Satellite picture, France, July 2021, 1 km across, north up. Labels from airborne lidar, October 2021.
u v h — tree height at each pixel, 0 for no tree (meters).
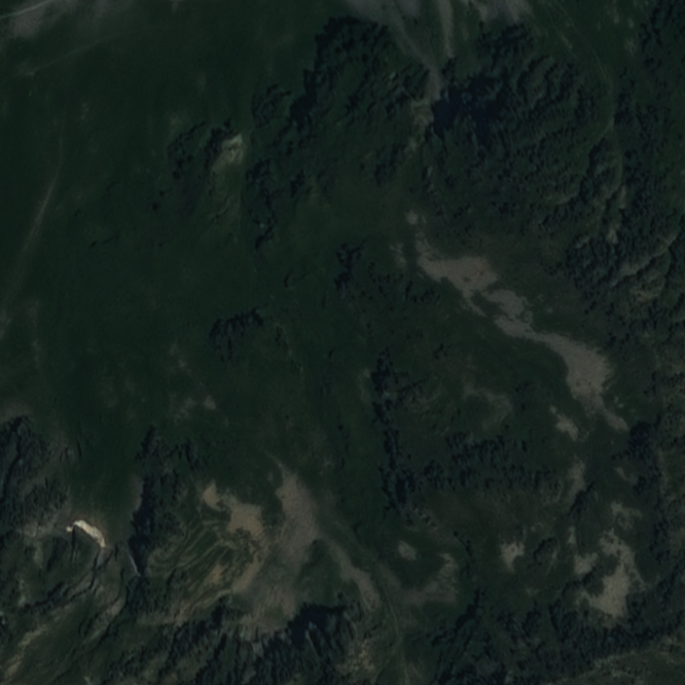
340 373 0
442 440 0
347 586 0
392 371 6
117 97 0
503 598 0
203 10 0
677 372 0
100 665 0
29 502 10
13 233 0
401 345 0
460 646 0
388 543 0
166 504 12
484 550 0
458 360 0
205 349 0
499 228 0
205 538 0
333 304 0
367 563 0
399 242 0
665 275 0
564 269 9
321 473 0
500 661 8
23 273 0
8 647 0
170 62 0
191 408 0
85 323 0
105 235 0
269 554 0
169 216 0
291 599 0
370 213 0
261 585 0
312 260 0
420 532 0
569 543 0
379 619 0
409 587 0
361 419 0
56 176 0
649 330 7
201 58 0
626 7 0
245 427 0
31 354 0
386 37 17
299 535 0
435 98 0
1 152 0
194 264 0
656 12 9
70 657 0
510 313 0
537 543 0
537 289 0
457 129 7
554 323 0
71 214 0
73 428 0
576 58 0
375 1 0
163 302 0
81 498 0
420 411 0
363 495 0
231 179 0
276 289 0
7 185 0
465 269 0
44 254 0
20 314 0
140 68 0
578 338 0
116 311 0
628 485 0
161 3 0
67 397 0
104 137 0
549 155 10
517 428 0
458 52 0
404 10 0
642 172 9
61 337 0
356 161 0
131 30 0
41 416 0
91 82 0
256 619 0
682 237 9
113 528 0
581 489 0
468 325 0
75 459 0
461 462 11
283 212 0
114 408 0
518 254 0
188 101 0
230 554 0
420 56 0
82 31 0
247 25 0
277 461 0
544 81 0
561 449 0
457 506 0
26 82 0
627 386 0
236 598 0
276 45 0
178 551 0
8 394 0
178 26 0
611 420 0
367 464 0
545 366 0
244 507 0
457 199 0
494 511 0
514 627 6
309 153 0
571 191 10
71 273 0
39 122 0
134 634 0
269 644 0
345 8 0
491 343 0
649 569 0
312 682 0
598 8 0
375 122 0
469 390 0
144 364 0
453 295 0
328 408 0
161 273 0
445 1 0
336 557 0
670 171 9
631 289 10
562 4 0
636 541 0
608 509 0
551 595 0
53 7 0
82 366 0
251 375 0
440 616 0
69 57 0
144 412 0
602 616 0
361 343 0
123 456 0
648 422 0
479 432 0
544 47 0
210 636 9
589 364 0
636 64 0
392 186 0
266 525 0
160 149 0
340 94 0
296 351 0
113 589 0
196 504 0
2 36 0
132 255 0
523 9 0
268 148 0
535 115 18
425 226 0
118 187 0
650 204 14
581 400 0
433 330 0
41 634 0
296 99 0
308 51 0
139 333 0
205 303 0
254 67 0
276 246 0
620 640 7
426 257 0
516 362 0
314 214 0
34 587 0
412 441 0
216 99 0
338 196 0
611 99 0
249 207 0
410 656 0
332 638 9
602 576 0
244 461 0
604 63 0
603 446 0
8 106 0
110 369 0
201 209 0
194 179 0
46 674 0
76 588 0
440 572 0
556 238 9
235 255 0
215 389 0
